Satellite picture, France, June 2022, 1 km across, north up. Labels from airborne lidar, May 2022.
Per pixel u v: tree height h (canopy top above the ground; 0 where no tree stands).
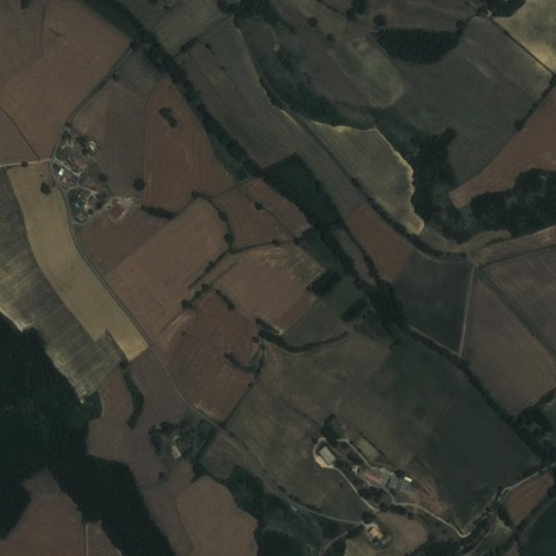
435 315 0
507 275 0
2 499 15
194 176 0
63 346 0
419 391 0
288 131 0
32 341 13
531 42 0
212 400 0
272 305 0
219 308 0
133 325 0
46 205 0
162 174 0
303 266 0
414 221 0
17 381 11
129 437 0
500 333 0
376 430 0
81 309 0
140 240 0
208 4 0
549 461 10
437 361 0
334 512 0
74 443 13
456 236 10
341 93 0
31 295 0
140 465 0
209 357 0
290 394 0
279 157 0
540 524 0
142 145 0
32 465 13
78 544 0
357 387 0
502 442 0
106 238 0
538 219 9
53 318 0
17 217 0
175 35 0
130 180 0
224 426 10
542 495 0
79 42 0
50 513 0
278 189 6
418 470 0
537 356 0
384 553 0
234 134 0
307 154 0
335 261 0
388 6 0
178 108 0
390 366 0
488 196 10
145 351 0
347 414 0
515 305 0
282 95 7
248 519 0
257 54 0
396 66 0
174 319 0
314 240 0
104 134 0
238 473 7
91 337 0
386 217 14
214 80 0
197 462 6
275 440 0
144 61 0
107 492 15
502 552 11
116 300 0
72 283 0
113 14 0
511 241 0
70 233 0
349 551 0
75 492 14
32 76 0
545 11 0
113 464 19
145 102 0
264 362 8
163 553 17
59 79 0
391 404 0
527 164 0
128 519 18
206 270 6
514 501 0
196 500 0
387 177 0
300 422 0
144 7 0
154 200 0
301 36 0
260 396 0
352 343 0
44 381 8
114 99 0
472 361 0
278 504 14
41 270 0
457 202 0
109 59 0
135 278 0
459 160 0
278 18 8
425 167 12
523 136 0
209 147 0
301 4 0
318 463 0
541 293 0
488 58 0
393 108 0
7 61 0
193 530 0
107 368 0
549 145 0
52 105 0
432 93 0
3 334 12
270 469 0
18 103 0
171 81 0
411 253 0
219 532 0
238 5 14
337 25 0
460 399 0
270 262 0
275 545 12
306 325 0
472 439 0
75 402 6
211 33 0
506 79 0
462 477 0
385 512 10
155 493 0
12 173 0
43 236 0
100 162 0
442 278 0
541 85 0
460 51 0
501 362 0
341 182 0
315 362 0
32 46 0
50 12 0
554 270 0
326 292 10
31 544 0
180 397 0
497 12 6
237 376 0
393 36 17
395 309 8
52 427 12
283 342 14
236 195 0
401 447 0
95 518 13
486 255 0
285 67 13
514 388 0
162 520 0
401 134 0
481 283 0
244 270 0
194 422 0
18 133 0
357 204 0
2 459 10
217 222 0
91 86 0
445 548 11
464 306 0
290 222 0
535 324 0
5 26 0
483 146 0
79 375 0
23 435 14
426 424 0
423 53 17
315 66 0
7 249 0
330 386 0
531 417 23
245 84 0
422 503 0
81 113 0
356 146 0
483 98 0
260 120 0
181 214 0
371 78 0
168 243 0
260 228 0
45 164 0
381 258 0
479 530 11
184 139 0
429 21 0
